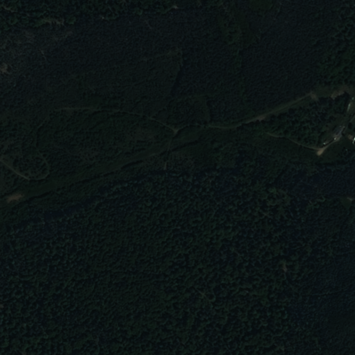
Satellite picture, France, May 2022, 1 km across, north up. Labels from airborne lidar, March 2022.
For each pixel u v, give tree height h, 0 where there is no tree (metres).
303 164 21
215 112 23
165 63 7
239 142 12
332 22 23
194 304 28
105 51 32
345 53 24
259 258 21
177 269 28
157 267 24
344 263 16
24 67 16
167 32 31
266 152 12
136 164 10
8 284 18
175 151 9
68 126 6
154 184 24
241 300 30
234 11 12
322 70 19
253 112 20
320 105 16
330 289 16
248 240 27
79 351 26
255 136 19
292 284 36
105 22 27
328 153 0
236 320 35
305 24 24
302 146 9
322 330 21
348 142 0
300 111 8
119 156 10
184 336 32
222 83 27
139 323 21
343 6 17
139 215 25
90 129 11
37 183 8
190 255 26
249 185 27
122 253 24
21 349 23
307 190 38
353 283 13
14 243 26
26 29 19
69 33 20
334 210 22
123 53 25
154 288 25
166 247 30
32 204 10
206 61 30
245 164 21
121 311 24
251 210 36
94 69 23
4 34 17
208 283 30
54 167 7
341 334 7
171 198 27
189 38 30
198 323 35
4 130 9
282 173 24
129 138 0
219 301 29
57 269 31
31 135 9
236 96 25
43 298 10
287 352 22
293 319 29
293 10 22
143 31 22
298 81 28
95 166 10
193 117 11
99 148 6
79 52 30
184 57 17
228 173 29
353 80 23
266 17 18
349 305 13
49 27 22
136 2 10
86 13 12
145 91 6
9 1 31
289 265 39
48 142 8
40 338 11
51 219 23
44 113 7
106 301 24
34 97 22
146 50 31
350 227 9
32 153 14
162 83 6
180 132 12
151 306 26
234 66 20
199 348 33
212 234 33
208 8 13
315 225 21
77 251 28
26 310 29
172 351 30
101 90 7
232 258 19
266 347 36
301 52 28
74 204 7
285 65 27
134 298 25
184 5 13
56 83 24
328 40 28
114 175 10
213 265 29
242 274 14
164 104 8
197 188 29
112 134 14
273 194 15
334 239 18
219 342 27
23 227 26
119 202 25
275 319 33
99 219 24
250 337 31
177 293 26
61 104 7
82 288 28
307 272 20
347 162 18
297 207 31
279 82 28
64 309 15
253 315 33
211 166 9
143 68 7
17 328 22
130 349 28
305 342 6
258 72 27
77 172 10
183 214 28
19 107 21
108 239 26
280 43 24
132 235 24
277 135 26
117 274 25
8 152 12
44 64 29
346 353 18
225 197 30
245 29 12
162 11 25
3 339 21
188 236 31
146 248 24
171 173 25
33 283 28
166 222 22
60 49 27
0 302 7
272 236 24
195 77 25
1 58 17
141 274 24
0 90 20
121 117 14
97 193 7
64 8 11
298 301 18
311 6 23
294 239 42
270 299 38
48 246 29
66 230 36
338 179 30
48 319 27
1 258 6
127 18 20
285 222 22
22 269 22
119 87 8
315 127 27
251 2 13
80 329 25
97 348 22
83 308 24
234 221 26
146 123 14
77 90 8
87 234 25
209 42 27
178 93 26
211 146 13
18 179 8
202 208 29
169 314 11
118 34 24
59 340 25
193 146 9
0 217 12
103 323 23
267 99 28
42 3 16
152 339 32
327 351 17
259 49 24
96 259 25
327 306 8
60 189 12
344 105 31
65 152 6
